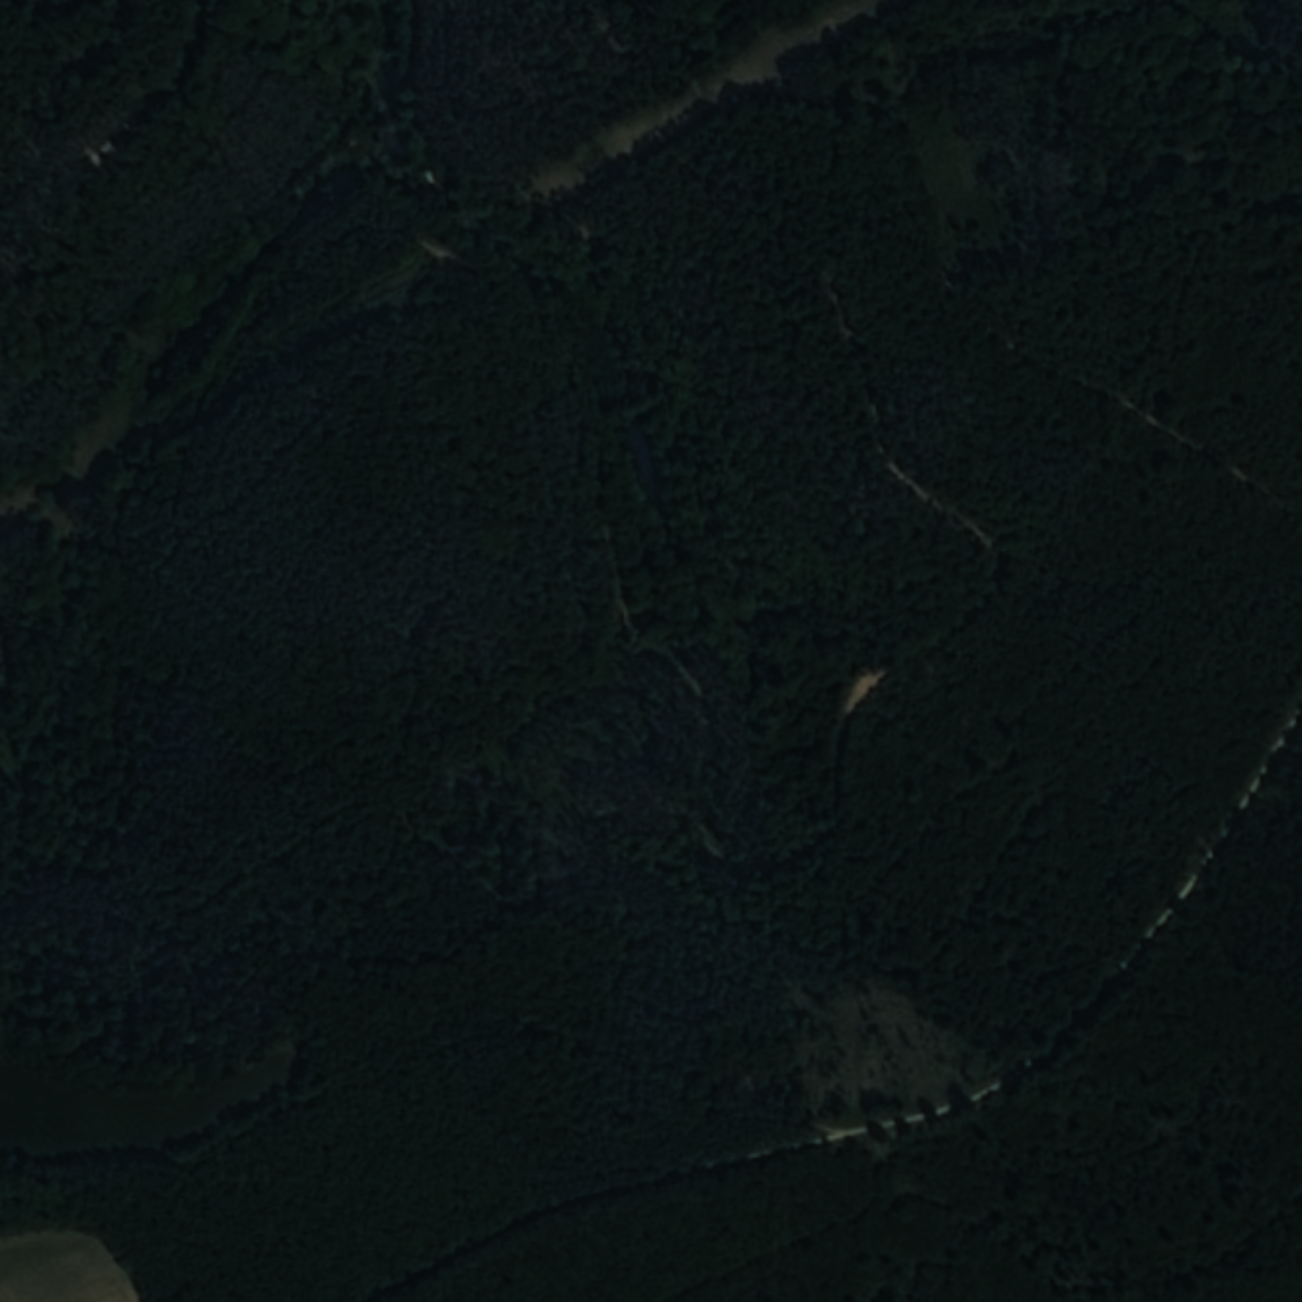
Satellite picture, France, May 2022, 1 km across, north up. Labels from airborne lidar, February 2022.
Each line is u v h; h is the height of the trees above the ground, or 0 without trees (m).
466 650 23
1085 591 19
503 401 17
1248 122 28
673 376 27
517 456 25
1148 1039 11
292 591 22
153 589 24
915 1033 0
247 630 18
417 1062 16
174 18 26
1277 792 6
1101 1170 8
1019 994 16
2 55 26
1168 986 9
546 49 26
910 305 26
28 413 30
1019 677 10
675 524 19
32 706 23
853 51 20
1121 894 18
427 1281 18
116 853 27
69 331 31
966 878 13
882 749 11
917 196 26
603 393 20
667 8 31
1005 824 8
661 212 29
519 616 22
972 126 27
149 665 23
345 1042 20
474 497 20
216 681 26
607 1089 28
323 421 21
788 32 11
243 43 28
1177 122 26
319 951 9
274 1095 10
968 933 14
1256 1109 9
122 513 19
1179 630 20
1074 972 15
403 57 19
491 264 19
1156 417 28
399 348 16
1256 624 19
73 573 20
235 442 20
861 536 32
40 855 14
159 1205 16
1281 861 16
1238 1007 10
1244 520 14
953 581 29
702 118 22
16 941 27
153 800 13
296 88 31
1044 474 27
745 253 31
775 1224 18
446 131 23
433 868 13
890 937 16
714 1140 19
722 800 29
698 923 23
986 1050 20
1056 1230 8
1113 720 17
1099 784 14
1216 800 13
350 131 13
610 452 17
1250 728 10
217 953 12
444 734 28
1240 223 14
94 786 22
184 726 25
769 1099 19
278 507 23
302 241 25
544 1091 20
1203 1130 8
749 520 23
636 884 30
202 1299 18
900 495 36
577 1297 17
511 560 22
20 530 28
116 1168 21
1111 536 13
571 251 28
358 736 24
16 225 28
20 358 28
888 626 30
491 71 29
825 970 30
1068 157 17
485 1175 17
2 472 25
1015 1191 29
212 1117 0
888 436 19
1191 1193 10
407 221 21
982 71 25
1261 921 11
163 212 29
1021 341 22
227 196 30
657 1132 18
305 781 14
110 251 26
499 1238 24
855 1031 0
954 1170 9
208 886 10
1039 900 18
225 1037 21
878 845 16
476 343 17
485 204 22
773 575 29
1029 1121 6
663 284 26
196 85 26
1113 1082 14
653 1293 16
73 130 30
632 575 19
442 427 19
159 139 29
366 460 20
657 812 30
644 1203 16
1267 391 15
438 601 25
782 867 27
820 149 26
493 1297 17
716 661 24
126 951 30
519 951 21
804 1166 13
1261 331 16
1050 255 25
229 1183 14
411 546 24
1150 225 25
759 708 34
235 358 13
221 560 20
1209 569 15
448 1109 16
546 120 25
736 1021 25
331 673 18
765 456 28
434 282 10
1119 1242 12
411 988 24
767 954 26
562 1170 22
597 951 29
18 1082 0
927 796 10
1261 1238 10
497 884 9
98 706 23
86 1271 0
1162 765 19
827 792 11
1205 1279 17
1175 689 17
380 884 14
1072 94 25
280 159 30
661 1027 33
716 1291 17
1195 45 33
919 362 27
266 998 23
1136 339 26
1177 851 13
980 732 5
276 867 13
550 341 18
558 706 26
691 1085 24
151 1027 27
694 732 25
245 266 20
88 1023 29
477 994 20
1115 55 22
